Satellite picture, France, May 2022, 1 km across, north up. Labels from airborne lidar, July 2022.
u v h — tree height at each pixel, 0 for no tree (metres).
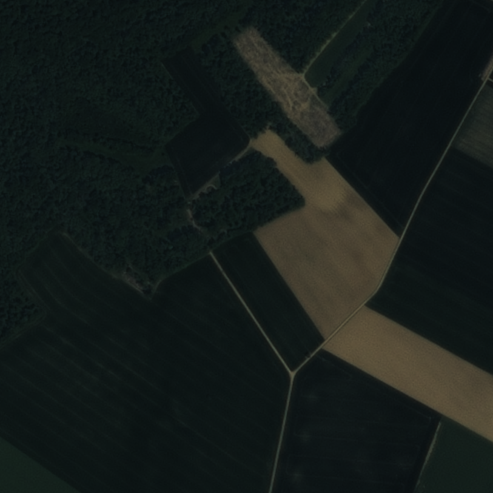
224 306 0
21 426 0
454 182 0
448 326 0
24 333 0
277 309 0
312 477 0
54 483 0
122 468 0
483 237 0
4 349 0
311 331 0
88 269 0
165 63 0
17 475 0
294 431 0
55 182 26
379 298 0
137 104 21
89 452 0
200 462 0
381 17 26
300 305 0
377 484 0
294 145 28
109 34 26
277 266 0
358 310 0
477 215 0
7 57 23
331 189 0
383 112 0
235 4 24
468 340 0
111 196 29
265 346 0
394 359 0
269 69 0
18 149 24
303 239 0
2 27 26
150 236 22
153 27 27
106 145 21
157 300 0
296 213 0
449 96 0
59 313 0
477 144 0
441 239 0
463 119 0
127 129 13
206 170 0
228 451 0
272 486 0
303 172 0
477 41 0
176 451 0
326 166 0
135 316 0
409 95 0
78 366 0
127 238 28
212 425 0
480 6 0
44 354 0
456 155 0
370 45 22
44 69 32
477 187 0
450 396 0
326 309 0
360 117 0
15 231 21
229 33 27
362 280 0
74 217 27
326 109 0
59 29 24
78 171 29
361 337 0
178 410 0
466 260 0
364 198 0
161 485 0
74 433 0
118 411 0
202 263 0
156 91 24
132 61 21
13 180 31
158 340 0
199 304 0
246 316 0
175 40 26
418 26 11
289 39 30
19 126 14
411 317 0
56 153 17
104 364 0
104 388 0
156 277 17
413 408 0
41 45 27
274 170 10
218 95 0
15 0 27
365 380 0
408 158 0
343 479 0
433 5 20
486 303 0
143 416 0
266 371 0
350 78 0
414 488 0
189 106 7
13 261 22
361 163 0
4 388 0
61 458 0
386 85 0
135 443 0
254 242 0
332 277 0
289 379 0
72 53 22
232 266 0
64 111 21
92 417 0
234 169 22
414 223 0
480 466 0
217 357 0
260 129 16
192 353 0
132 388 0
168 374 0
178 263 20
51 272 0
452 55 0
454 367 0
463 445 0
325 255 0
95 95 20
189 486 0
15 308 22
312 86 0
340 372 0
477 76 0
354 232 0
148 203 24
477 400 0
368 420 0
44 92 32
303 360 0
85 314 0
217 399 0
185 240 27
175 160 0
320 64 0
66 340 0
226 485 0
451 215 0
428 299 0
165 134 20
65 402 0
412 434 0
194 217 12
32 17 23
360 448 0
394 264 0
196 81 0
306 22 27
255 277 0
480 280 0
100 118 14
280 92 0
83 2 32
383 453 0
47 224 22
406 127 0
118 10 27
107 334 0
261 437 0
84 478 0
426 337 0
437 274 0
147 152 25
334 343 0
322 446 0
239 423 0
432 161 0
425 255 0
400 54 14
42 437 0
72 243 0
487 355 0
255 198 16
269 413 0
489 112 0
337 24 29
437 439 0
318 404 0
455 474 0
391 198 0
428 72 0
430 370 0
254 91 18
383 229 0
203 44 0
